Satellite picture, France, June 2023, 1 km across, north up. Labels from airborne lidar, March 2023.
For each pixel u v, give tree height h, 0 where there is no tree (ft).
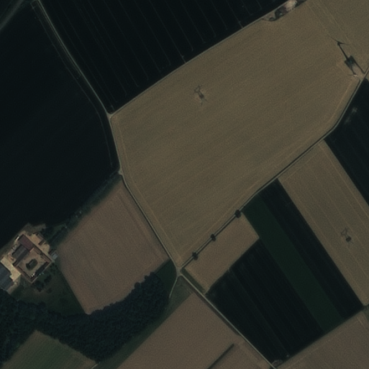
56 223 0
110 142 0
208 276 0
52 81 0
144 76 0
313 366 0
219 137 0
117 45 0
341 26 0
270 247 0
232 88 0
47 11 0
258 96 0
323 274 0
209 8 0
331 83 0
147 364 0
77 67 0
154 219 0
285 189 0
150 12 0
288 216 0
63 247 0
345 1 0
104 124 0
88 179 0
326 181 0
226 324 0
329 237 0
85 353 51
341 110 0
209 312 0
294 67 0
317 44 0
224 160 0
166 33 0
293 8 0
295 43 0
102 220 0
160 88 0
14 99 0
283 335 0
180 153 0
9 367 0
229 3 0
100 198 59
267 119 0
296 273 0
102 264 0
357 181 0
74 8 0
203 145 0
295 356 0
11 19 0
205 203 0
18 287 0
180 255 0
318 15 0
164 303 70
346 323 0
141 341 0
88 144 0
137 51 0
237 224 0
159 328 0
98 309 0
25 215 0
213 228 0
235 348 0
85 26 0
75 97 0
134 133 0
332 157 0
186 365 0
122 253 0
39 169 0
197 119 0
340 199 0
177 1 0
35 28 0
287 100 0
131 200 0
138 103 0
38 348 0
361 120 0
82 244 0
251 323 0
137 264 0
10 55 0
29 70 0
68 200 0
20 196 0
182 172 0
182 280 0
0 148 0
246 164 0
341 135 0
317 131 0
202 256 0
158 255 0
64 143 0
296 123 0
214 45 0
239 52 0
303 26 0
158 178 0
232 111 0
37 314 95
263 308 0
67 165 0
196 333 0
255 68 0
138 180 0
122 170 0
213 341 0
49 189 0
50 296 0
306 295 0
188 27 0
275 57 0
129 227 0
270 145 0
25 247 0
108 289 0
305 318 0
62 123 0
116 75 0
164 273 0
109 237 0
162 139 0
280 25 0
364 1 0
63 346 0
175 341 0
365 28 0
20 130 0
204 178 0
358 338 0
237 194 0
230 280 0
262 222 0
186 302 0
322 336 0
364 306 0
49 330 66
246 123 0
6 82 0
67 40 0
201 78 0
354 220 0
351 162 0
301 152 0
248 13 0
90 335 88
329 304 0
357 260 0
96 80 0
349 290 0
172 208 0
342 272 0
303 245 0
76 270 0
